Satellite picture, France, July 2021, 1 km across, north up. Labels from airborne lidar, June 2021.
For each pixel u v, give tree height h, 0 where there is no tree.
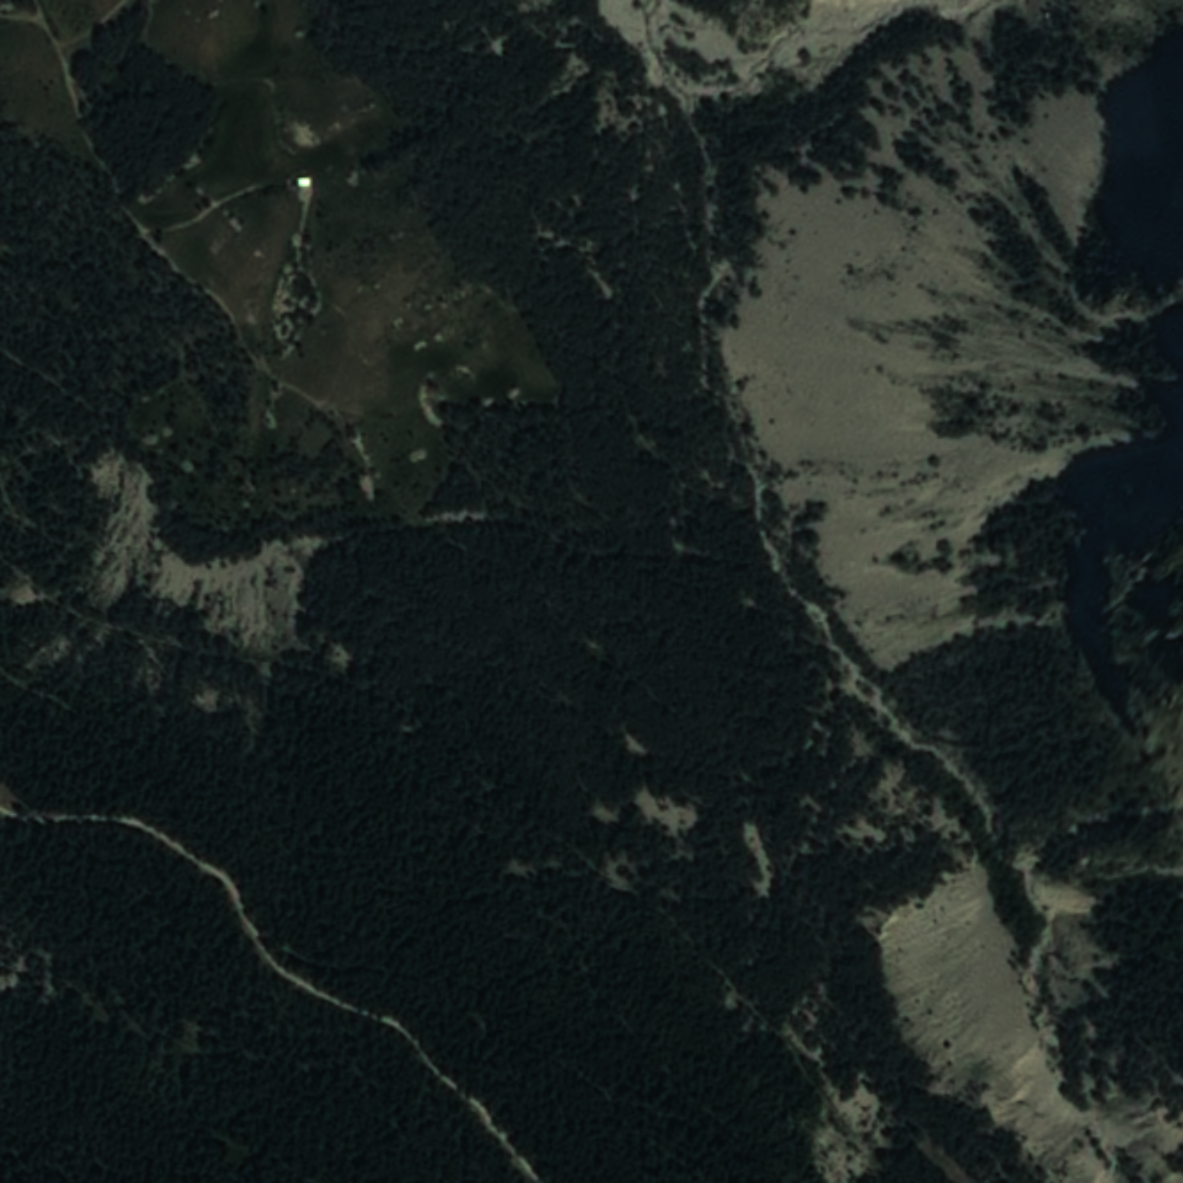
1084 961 0
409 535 19
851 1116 0
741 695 19
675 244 10
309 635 13
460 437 18
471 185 15
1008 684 9
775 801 11
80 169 13
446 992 17
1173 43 6
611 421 17
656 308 10
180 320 13
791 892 13
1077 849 7
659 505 19
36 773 20
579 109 15
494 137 14
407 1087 24
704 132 8
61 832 18
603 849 8
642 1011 15
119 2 0
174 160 13
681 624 18
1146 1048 9
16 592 0
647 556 19
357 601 14
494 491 17
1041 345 0
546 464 16
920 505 0
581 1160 21
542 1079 21
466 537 17
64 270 18
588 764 17
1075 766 13
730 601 22
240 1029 18
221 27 0
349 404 0
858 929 14
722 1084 14
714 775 19
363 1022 9
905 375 0
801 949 14
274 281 0
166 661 10
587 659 19
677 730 19
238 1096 20
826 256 0
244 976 27
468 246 12
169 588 0
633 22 0
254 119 0
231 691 6
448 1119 20
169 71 10
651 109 7
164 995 23
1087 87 20
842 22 0
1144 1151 0
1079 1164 0
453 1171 25
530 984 20
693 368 15
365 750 16
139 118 13
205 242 0
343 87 0
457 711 17
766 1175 16
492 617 18
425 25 11
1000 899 8
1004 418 0
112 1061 17
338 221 0
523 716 15
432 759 18
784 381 0
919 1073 14
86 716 18
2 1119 14
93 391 13
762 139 13
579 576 12
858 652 10
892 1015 13
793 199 0
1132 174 8
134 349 16
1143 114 0
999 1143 13
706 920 12
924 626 0
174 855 11
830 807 7
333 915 23
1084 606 0
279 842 17
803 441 0
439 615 15
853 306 0
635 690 18
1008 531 14
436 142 14
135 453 15
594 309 18
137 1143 14
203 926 22
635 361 10
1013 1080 0
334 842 24
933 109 8
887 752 13
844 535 0
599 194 13
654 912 17
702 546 20
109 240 16
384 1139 23
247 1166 7
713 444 8
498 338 0
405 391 0
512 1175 21
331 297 0
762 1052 18
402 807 19
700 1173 23
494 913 17
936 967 0
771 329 0
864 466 0
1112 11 0
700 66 10
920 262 0
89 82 13
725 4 9
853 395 0
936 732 7
